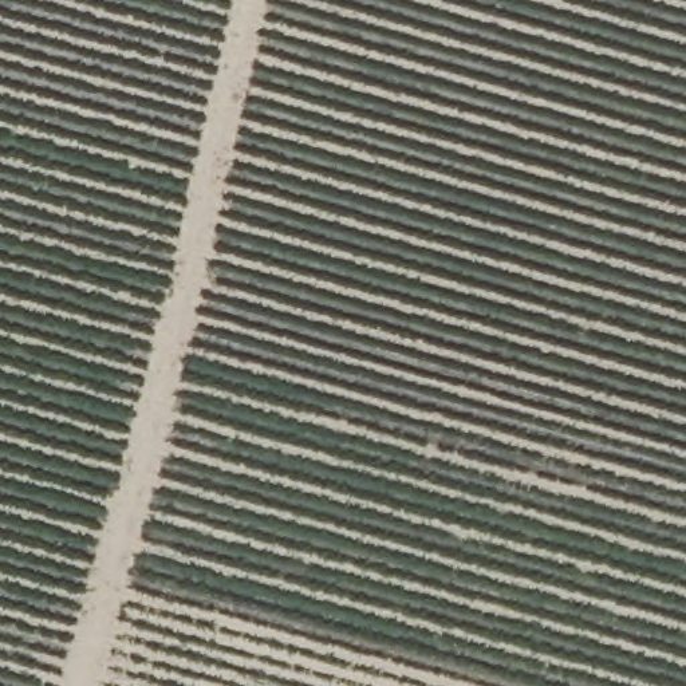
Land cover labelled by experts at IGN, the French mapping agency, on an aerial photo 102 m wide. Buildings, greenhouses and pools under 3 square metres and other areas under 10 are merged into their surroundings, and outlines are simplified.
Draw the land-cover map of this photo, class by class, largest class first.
<instances>
[{"label":"vineyard","instance_id":"1","mask_svg":"<svg viewBox=\"0 0 686 686\"><path fill-rule=\"evenodd\" d=\"M230 16V0H0V686H59L67 643L72 640L80 611L78 600L86 592L88 573L94 571V536L107 517V496L121 482V458L129 448V426L147 375L153 327L161 316V303L174 276V244L188 206V182L193 180V163L201 147L206 96L217 75V59L225 38V24ZM268 11L257 32L260 51L255 54L249 78L252 83L247 86L233 166L222 196L228 201V209H220L214 230L217 252L209 260L212 281L206 289H201V305L196 308L201 314L198 327L188 346V356L182 359L185 381L177 391L180 413L172 429L174 448L169 458H163L161 485L153 490L147 520L142 525L145 544L134 557V568L129 571L131 590H137L139 595L137 600H123L118 608V622L137 627L134 635H115L118 640L134 643V651L110 648V657L131 659L129 667H110V673L126 675L123 686H686V0H265Z\"/></svg>","mask_w":686,"mask_h":686},{"label":"pervious surface","instance_id":"2","mask_svg":"<svg viewBox=\"0 0 686 686\"><path fill-rule=\"evenodd\" d=\"M268 11L265 0H230V16L225 24V38L217 59V75L206 96L201 147L193 163V180L188 182V206L174 244V276L161 303V316L153 327L147 375L129 426V448L121 458V482L107 496V517L94 536V571L88 573L86 592L78 600L80 611L72 640L67 643L59 686H123L126 675L110 673V667H129L131 659L110 657V648L134 651V643L118 640L115 635H134L137 627L118 622V608L123 600H137L139 595L137 590H131L129 571L134 568V557L145 544L142 525L147 520L153 490L161 485L163 458H169L174 448L172 429L180 413L177 391L185 381L182 359L188 356V346L198 327L201 314L196 308L201 305V289H206L212 281L209 260L217 252L214 230L220 209H228V201L222 196L233 166L247 86L252 83L249 78L255 54L260 51L257 32Z\"/></svg>","mask_w":686,"mask_h":686}]
</instances>
